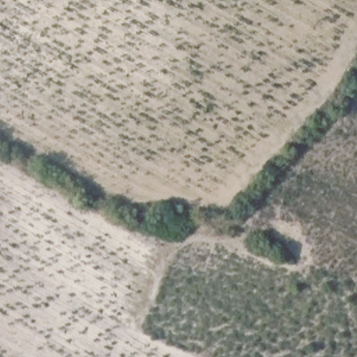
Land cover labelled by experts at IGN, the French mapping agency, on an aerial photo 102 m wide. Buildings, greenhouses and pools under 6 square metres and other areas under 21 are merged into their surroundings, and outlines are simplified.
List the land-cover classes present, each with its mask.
<instances>
[{"label":"vineyard","instance_id":"1","mask_svg":"<svg viewBox=\"0 0 357 357\"><path fill-rule=\"evenodd\" d=\"M357 56V0H0V120L8 127L14 128L13 138L32 145L36 152L46 155L52 152L66 153L68 159L75 163V170L84 176H92V180L107 194L123 195L134 202L162 201L169 198H183L188 202L201 198L202 206H227L230 202L219 194V185H226L227 176L233 174L248 151L255 148L262 138H268L271 128H278L282 132L280 141L284 145L290 142L291 137L304 126L305 119L317 112L326 100L331 98L340 79L353 66V60ZM146 236L138 231H128L124 227L112 225L98 212L78 211L68 204L67 199L60 194L59 188L49 190L15 166L3 163L0 166V357H201L199 354L169 346L163 340L152 339L142 332V325L149 311L155 307L162 279L158 273L146 266V259L151 257V250L145 244Z\"/></svg>","mask_w":357,"mask_h":357},{"label":"brushwood","instance_id":"2","mask_svg":"<svg viewBox=\"0 0 357 357\"><path fill-rule=\"evenodd\" d=\"M290 142L308 145L310 151L305 152L298 165L287 173L286 180L276 185V191L269 194L268 205L257 212L264 218L300 222L305 240L308 244L314 245V248H311V266L301 269L300 272L291 273L287 269L268 268L261 262L252 261V258L238 257L237 254L227 251L223 245L216 244V252L212 254L209 250H202L190 244L177 251L176 257L167 266L165 278L162 279L155 307L149 311L142 325V332L152 339L163 340L169 346L199 354L201 357H357V56L353 60V66L340 79L331 98L326 100L317 112L305 119L304 126L291 137Z\"/></svg>","mask_w":357,"mask_h":357},{"label":"deciduous trees","instance_id":"3","mask_svg":"<svg viewBox=\"0 0 357 357\"><path fill-rule=\"evenodd\" d=\"M14 128L8 127L0 120V166L3 163L15 166L49 190L59 188L60 194L67 199L68 204L78 211L98 212L112 225L124 227L128 231H138L146 236L162 238L170 243L184 241L195 231L199 236L237 237L243 233L245 220L257 212L268 205L269 194L276 191V185L286 180L287 173L298 165L305 152L310 151L308 145L290 142L284 145L278 155L265 163L252 183L248 184L244 191L237 192L236 197L230 202L227 206H202L201 198L188 202L183 198H169L162 201L134 202L123 195L107 194L92 180V176H84L75 170V163L68 159L66 153L52 152L46 155L36 152L32 145L13 138ZM247 250L259 257L271 259L272 262L297 264L301 244L293 238L283 236L278 230L268 229L251 231L250 236L245 238Z\"/></svg>","mask_w":357,"mask_h":357},{"label":"plowed land","instance_id":"4","mask_svg":"<svg viewBox=\"0 0 357 357\"><path fill-rule=\"evenodd\" d=\"M282 132L278 128H271L268 138H262L255 148L248 151L233 174L227 176L226 185H219V194L230 202L236 197L237 192L244 191L248 184L252 183L265 163L278 155L284 145L280 141ZM268 229L278 230L283 236L293 238L301 244L297 264L272 262L271 259L259 257L247 250L245 238L250 236L251 231ZM145 244L151 250V257L146 259V266L158 273L162 279L165 278L167 266L176 257L177 251L190 244L202 250H209L212 254L216 252V244L223 245L227 251L237 254L238 257L252 258V261L261 262L268 268L287 269L291 273L300 272L301 269L311 266V248H314V245L308 244L305 240L300 222L264 218L257 212L245 220L243 233L237 237L199 236L195 231L184 241L170 243L162 238L146 236Z\"/></svg>","mask_w":357,"mask_h":357}]
</instances>
